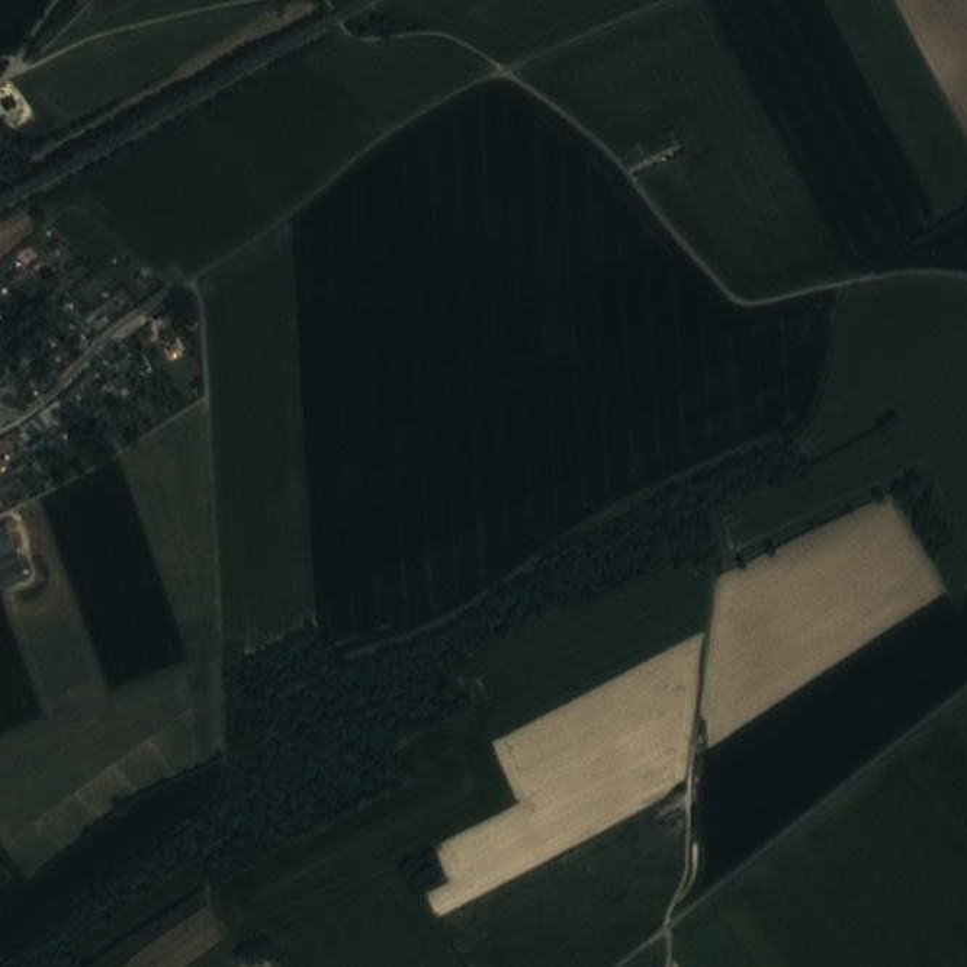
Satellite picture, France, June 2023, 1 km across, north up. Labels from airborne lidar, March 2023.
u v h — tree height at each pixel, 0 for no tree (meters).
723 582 0
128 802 7
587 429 0
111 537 0
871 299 0
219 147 0
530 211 0
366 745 7
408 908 0
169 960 0
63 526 0
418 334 0
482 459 0
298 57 12
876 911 0
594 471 0
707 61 0
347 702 17
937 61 0
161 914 8
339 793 12
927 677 0
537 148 0
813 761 0
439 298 0
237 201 0
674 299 0
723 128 0
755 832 0
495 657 0
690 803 0
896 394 0
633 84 0
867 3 0
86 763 0
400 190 0
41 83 0
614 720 0
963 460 0
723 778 0
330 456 0
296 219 0
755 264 0
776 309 0
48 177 0
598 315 0
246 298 0
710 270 0
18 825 0
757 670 0
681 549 18
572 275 0
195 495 0
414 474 0
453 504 0
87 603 0
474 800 0
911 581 0
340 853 0
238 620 0
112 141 0
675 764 0
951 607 0
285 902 0
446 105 0
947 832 0
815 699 0
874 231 0
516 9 0
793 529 0
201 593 0
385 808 0
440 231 0
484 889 0
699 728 0
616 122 0
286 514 0
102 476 0
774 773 0
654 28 0
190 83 9
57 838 0
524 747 0
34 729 0
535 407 0
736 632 0
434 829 0
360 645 0
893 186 0
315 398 0
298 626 0
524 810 0
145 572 0
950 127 0
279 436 0
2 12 0
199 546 0
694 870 0
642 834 0
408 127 0
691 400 0
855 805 0
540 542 0
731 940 0
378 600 0
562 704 0
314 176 0
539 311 0
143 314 0
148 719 0
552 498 0
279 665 13
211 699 0
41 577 0
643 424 0
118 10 0
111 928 0
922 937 0
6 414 0
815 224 0
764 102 0
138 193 0
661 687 0
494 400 0
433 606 0
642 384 0
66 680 0
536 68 0
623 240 0
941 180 0
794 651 0
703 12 0
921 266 0
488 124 0
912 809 0
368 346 0
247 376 0
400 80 0
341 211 0
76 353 8
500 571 0
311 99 0
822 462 0
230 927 0
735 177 0
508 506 0
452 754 0
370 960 0
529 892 0
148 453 0
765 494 0
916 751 0
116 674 0
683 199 0
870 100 0
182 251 0
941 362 0
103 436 14
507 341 0
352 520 0
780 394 0
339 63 0
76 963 17
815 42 0
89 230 0
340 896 0
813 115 0
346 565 0
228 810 13
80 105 0
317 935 0
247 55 10
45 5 0
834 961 0
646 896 0
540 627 0
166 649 0
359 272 0
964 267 0
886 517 0
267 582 0
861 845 0
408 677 16
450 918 0
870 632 0
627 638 0
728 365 0
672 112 0
